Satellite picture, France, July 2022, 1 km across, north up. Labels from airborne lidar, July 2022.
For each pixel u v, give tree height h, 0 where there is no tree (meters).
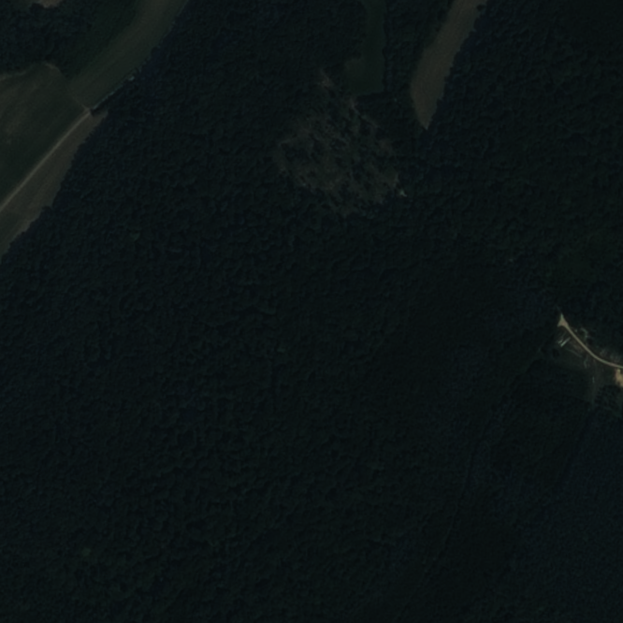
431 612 12
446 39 0
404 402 18
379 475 26
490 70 30
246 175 26
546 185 23
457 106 26
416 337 17
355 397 26
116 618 27
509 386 12
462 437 24
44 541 20
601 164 27
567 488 21
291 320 26
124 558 25
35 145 0
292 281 20
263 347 24
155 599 30
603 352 0
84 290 24
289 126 25
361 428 22
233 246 27
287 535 20
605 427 22
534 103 22
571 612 25
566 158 22
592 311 20
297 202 23
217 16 19
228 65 22
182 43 16
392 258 25
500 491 10
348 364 21
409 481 25
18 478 29
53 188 0
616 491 20
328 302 29
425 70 0
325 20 26
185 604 15
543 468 5
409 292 26
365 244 24
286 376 27
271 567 21
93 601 8
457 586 13
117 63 0
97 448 21
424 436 19
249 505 22
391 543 20
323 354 20
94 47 10
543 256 25
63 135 0
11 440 26
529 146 20
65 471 24
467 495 17
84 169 17
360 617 15
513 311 17
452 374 18
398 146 16
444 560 6
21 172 0
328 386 21
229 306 23
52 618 8
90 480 25
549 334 18
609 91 16
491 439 21
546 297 17
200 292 23
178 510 30
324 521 20
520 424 7
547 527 22
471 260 13
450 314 12
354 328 23
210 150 23
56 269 23
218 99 23
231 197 25
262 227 25
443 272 20
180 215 26
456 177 29
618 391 9
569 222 15
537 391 11
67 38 33
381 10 0
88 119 0
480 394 17
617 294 16
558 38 20
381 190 0
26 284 26
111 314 25
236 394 25
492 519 8
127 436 20
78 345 23
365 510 21
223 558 19
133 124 25
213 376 25
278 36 23
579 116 25
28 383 24
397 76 18
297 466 21
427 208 27
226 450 22
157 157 20
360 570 21
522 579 24
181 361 18
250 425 26
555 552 24
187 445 27
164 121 24
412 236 26
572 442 7
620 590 21
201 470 29
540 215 22
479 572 9
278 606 18
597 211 21
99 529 22
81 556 23
